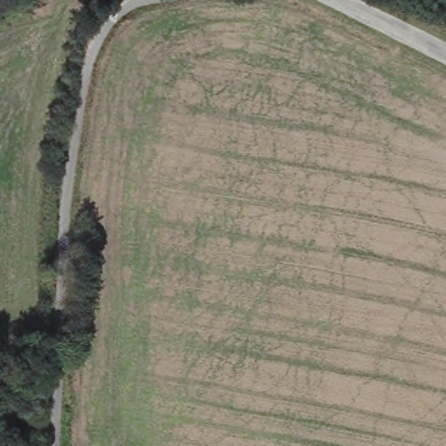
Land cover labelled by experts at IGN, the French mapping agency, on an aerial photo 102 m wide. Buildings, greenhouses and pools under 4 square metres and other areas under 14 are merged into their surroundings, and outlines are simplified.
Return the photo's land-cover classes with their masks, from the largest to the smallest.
<instances>
[{"label":"agricultural land","instance_id":"1","mask_svg":"<svg viewBox=\"0 0 446 446\"><path fill-rule=\"evenodd\" d=\"M80 0H54V7L49 16H37L35 12L30 14L26 21L9 23L0 28V336L10 340L23 338L26 334L24 329L28 326H37L44 314L35 308L38 301V261L44 258L45 254L38 247L44 225L40 221V213L44 211V199L42 172L38 169V160L42 155L40 141L44 139V125L49 118V105L54 99L56 78L63 70L66 59L63 44L68 38V31L75 28L71 10H80ZM91 199L98 209L99 221L106 230L101 291L94 319L96 334L92 341L91 354L85 359L84 366L73 369V389L78 399L77 408L73 409L75 420L71 425V446H446V64L425 56L423 52L416 51L409 45L397 42L382 31L375 30L319 0H159L129 10L125 16L120 17L117 23L111 26L110 33L106 35L99 47L98 56L94 59L85 103L84 124L78 145L70 218L84 206L85 200Z\"/></svg>","mask_w":446,"mask_h":446},{"label":"brushwood","instance_id":"2","mask_svg":"<svg viewBox=\"0 0 446 446\"><path fill-rule=\"evenodd\" d=\"M35 12L31 0H0V28L9 23L26 21L30 14ZM80 10H71L75 28L68 31V38L63 44L66 59L63 70L56 78L54 99L49 105V118L44 125V139L40 141L42 155L38 160V169L42 172L44 199V211L40 213V221L44 225L38 247L45 254L44 258L38 261V301L35 308L44 314H49L54 308L56 279L61 275L63 267H59L56 261L59 258L70 261L75 272V279H71V282L77 284L75 300H68L64 296L61 310L66 314L68 324L54 338L61 340L56 352L63 368L73 369L84 366L85 359L91 354L92 341L96 334L94 319L101 291L106 230L99 221L98 209L91 199L85 200L84 206L70 218L68 232L61 239H57L59 204L71 132L77 117V108L80 106L85 49L106 19L120 9L122 0H80ZM75 420L73 409L70 404L63 406L59 446H71V425Z\"/></svg>","mask_w":446,"mask_h":446},{"label":"deciduous trees","instance_id":"3","mask_svg":"<svg viewBox=\"0 0 446 446\"><path fill-rule=\"evenodd\" d=\"M413 9L420 5L425 12L439 17L436 26H446V0H408ZM26 343V352L23 355L12 357L0 350V446H52V395L57 389V383L63 378V368L56 352L61 340L54 338H47L44 334L38 333L26 334L23 338Z\"/></svg>","mask_w":446,"mask_h":446},{"label":"impervious surface","instance_id":"4","mask_svg":"<svg viewBox=\"0 0 446 446\"><path fill-rule=\"evenodd\" d=\"M159 0H122L120 9L106 19L85 49L80 106L77 108V117L71 132L59 204L57 239H61L68 232L70 218L78 145L84 124L85 103L94 59L98 56L99 47L106 35L110 33L111 26L117 23L120 17L125 16L129 10ZM375 30L382 31L397 42L409 45L416 51L423 52L425 56L446 64V42L385 12L394 0H319ZM64 296V280L61 275L56 279L54 308L61 310ZM52 446H59L63 406V390L57 389L52 395Z\"/></svg>","mask_w":446,"mask_h":446},{"label":"herbaceous vegetation","instance_id":"5","mask_svg":"<svg viewBox=\"0 0 446 446\"><path fill-rule=\"evenodd\" d=\"M385 12L446 42V26H436L439 17L425 12L420 5L413 9L408 0H394ZM59 267H63L61 275L64 280V296L68 300H75L77 284L71 282V279H75V272L70 261L59 258L56 261ZM68 324L66 314L61 310L54 308L49 314H44L37 326H28L24 329L26 334L38 333L44 334L47 338H54ZM26 343L23 338L10 340L0 336V350L12 357L23 355L26 352ZM57 389L63 390V406L70 404L73 409L77 408L78 399L73 389V369L63 368V378L57 383Z\"/></svg>","mask_w":446,"mask_h":446},{"label":"pervious surface","instance_id":"6","mask_svg":"<svg viewBox=\"0 0 446 446\"><path fill-rule=\"evenodd\" d=\"M35 12L37 16H49L54 7V0H31Z\"/></svg>","mask_w":446,"mask_h":446}]
</instances>
